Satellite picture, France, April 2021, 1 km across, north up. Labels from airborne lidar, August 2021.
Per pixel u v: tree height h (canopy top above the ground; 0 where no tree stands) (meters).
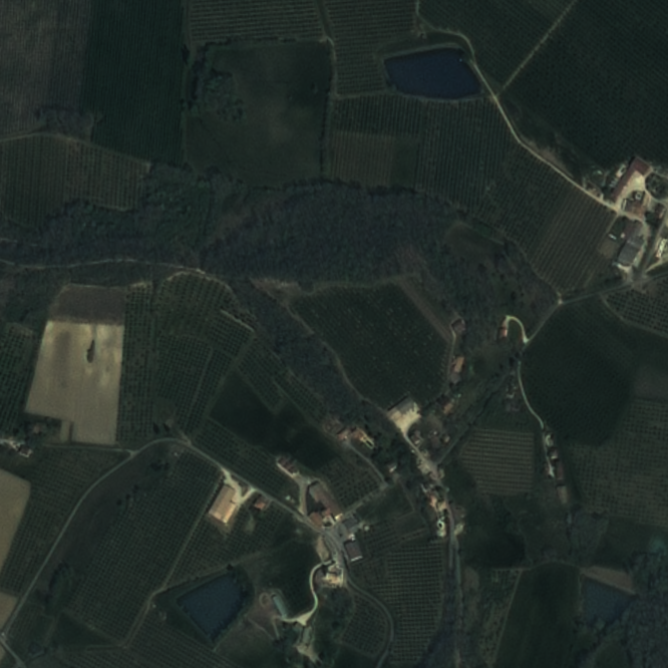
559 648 0
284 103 0
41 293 7
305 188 17
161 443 0
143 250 11
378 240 25
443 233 19
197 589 0
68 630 0
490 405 8
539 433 0
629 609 10
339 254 23
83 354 0
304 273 17
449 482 0
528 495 7
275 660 0
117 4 6
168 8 7
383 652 0
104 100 6
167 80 8
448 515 8
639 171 0
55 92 6
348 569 8
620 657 0
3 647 0
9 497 0
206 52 12
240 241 18
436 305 0
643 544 0
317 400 5
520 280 12
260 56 0
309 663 15
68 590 0
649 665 21
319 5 0
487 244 0
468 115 5
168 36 7
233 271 14
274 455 0
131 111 7
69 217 15
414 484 13
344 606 16
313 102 0
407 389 5
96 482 0
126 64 6
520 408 6
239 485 0
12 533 0
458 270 23
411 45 0
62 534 0
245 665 0
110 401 0
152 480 0
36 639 0
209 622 0
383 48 0
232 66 0
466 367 10
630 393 0
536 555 0
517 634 0
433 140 6
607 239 0
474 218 7
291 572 0
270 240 14
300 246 19
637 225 0
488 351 0
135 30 6
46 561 0
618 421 0
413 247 16
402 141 0
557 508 0
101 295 0
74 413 0
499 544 0
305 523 0
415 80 0
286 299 0
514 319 0
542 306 14
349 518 0
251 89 0
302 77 0
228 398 0
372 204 22
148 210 20
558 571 0
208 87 16
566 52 5
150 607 0
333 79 8
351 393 14
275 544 0
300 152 0
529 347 0
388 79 0
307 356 19
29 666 0
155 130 6
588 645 0
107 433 0
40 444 19
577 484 0
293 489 0
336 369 9
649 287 0
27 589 0
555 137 0
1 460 0
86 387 0
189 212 7
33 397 0
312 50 0
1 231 7
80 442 0
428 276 15
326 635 0
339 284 15
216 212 8
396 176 0
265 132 0
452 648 16
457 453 15
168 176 21
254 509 7
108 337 0
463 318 11
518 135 0
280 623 0
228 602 0
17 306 6
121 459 0
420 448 0
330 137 7
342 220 21
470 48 0
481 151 6
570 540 13
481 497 0
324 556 0
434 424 0
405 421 0
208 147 0
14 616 0
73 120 22
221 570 0
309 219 20
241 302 15
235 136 0
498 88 0
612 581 0
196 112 12
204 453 0
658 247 0
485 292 24
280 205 0
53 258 9
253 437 0
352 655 0
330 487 0
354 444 0
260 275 16
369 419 12
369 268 25
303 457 0
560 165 0
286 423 0
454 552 0
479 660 22
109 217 8
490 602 6
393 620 0
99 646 0
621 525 0
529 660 0
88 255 9
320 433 0
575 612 0
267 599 0
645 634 27
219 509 0
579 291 6
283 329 21
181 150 6
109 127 7
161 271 14
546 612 0
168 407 0
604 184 0
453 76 0
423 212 23
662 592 26
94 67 6
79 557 0
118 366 0
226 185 22
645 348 0
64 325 0
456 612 12
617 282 8
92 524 0
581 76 6
